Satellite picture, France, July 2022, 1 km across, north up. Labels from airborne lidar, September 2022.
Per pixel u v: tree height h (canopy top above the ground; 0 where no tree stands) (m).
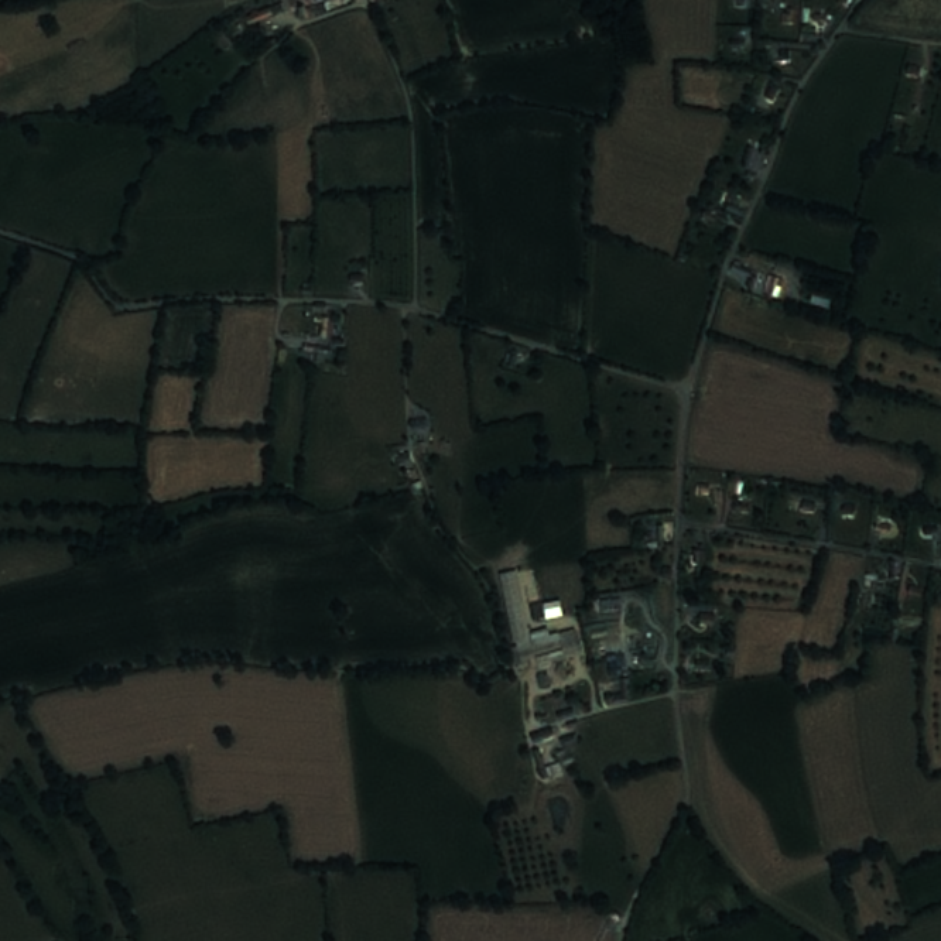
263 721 0
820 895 0
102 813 0
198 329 0
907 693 0
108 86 0
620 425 0
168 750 0
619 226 0
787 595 0
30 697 16
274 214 0
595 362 17
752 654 0
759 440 0
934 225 0
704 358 0
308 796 0
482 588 6
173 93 0
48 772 19
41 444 0
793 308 13
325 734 0
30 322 0
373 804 0
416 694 0
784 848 0
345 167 0
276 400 6
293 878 0
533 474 16
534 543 0
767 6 0
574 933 0
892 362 0
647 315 0
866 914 0
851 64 0
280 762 0
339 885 0
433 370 0
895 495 15
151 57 0
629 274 0
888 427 0
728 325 0
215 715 0
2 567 0
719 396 0
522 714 0
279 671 15
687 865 0
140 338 0
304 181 0
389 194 8
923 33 0
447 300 0
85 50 0
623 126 0
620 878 0
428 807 0
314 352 0
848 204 0
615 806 0
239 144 15
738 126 9
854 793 0
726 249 11
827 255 0
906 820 0
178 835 0
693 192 0
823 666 0
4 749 0
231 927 0
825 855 0
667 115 0
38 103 0
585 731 0
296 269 0
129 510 9
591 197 10
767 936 0
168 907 0
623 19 24
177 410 0
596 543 0
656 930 0
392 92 0
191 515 7
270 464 12
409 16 0
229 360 0
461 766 0
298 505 19
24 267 15
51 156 0
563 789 0
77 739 0
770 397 0
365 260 9
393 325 0
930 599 7
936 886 0
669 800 0
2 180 0
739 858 0
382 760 0
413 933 0
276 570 0
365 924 0
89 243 0
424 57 0
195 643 0
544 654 0
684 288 0
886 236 0
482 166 0
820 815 0
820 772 0
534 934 0
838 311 16
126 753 0
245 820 9
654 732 0
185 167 0
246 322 0
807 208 19
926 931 0
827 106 0
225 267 0
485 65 0
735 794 0
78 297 0
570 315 0
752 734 0
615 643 0
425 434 0
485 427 10
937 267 0
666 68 0
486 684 13
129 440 0
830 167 0
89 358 0
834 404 0
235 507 14
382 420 0
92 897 8
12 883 0
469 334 10
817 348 0
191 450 0
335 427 0
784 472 0
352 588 0
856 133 0
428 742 0
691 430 0
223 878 0
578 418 0
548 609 0
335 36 0
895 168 0
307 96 0
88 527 0
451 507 0
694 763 0
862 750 0
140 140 0
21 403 6
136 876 0
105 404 0
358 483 0
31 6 11
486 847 0
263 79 0
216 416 0
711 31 0
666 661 0
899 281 0
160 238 0
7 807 10
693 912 0
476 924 0
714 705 0
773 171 0
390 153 0
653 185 0
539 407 0
